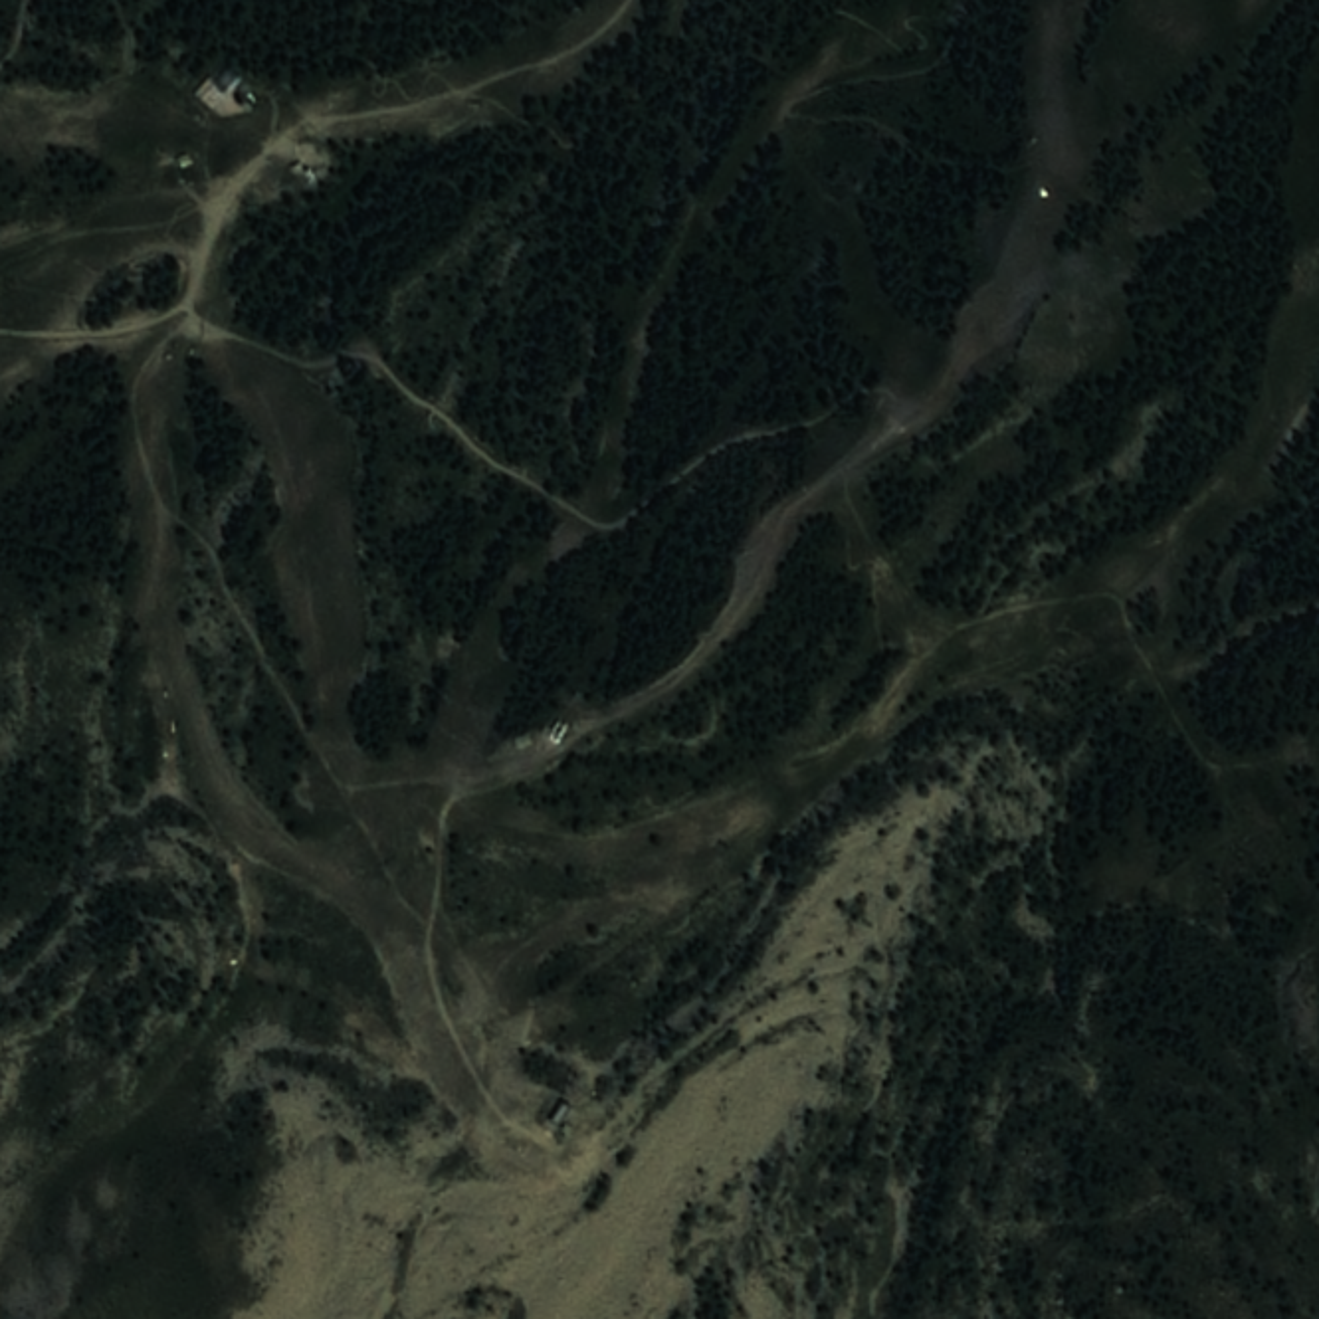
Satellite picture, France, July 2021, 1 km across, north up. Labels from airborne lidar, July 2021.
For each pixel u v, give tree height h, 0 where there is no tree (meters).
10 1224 0
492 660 0
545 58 0
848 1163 10
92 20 11
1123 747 12
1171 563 0
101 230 0
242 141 0
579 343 12
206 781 0
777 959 0
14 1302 0
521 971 0
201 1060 0
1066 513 17
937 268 13
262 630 6
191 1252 0
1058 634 0
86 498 7
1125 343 0
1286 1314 8
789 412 14
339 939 0
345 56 13
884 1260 0
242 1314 0
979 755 0
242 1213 0
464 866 0
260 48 14
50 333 0
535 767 0
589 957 0
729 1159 0
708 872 0
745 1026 0
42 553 12
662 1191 0
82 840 0
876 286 0
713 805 0
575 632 10
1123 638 0
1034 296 0
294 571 0
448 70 0
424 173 11
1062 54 0
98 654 0
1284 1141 0
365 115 0
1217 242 29
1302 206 0
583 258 13
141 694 0
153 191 0
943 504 0
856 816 0
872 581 0
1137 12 0
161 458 0
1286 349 0
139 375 0
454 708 0
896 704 0
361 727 7
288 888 0
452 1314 0
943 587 10
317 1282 0
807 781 0
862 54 0
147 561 0
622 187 12
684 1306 0
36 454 0
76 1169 0
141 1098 0
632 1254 0
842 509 0
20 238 0
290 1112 0
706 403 8
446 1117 0
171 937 9
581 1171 0
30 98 0
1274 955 14
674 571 11
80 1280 0
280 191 0
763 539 0
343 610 0
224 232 0
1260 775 0
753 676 9
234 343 0
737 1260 0
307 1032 0
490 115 0
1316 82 0
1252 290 26
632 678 7
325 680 0
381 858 0
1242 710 10
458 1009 0
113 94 0
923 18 0
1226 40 0
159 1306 0
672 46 11
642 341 0
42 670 0
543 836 0
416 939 0
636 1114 0
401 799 0
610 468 0
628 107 15
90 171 10
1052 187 0
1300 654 13
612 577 11
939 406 0
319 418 0
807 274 0
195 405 11
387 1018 0
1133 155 8
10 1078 0
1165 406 0
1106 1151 7
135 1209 0
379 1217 0
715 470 7
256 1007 0
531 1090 0
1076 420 12
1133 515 11
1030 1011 13
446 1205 0
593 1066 0
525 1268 0
